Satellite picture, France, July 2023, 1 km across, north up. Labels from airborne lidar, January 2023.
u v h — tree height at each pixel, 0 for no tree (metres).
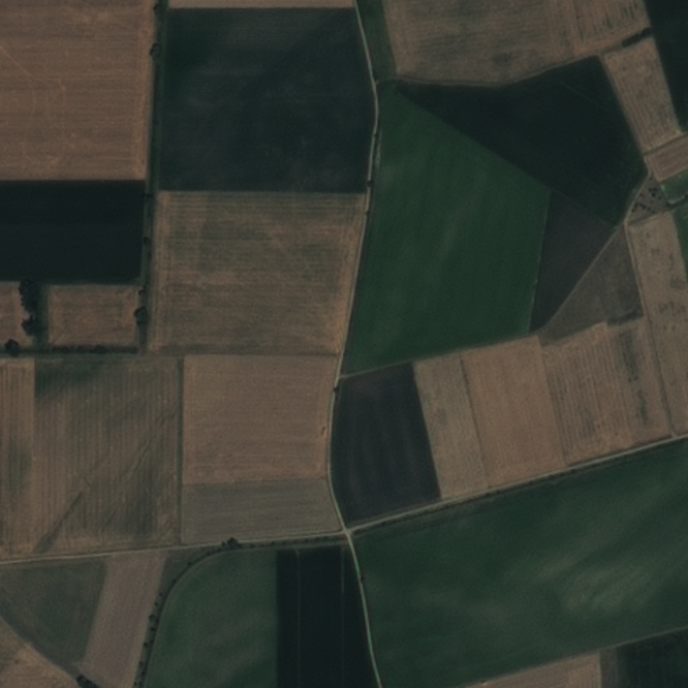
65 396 0
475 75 0
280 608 0
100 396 0
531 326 0
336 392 7
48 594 0
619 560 0
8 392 0
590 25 0
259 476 0
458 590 0
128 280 15
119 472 0
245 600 0
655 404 0
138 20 0
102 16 0
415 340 0
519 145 0
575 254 0
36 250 0
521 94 0
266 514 0
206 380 0
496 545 0
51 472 0
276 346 0
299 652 0
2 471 0
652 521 0
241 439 0
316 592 0
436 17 0
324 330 0
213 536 0
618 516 0
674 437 0
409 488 0
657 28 0
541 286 0
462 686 0
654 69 0
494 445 0
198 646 0
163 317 0
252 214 0
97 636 0
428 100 0
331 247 0
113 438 0
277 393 0
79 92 0
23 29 0
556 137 0
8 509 0
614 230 0
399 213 0
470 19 0
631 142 0
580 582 0
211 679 0
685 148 0
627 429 0
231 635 0
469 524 0
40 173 0
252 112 0
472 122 0
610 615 0
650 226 0
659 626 0
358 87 0
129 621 0
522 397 0
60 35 0
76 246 0
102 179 0
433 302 0
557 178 0
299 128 0
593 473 0
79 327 0
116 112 0
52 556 0
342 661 0
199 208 0
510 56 0
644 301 0
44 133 0
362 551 0
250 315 0
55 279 0
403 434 0
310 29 0
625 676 0
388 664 0
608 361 0
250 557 0
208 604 0
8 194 0
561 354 0
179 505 0
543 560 0
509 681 0
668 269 0
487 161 0
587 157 0
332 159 0
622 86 0
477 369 0
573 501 0
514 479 0
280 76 0
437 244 0
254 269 0
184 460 0
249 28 0
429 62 0
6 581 0
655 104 0
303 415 0
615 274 0
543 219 0
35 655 0
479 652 0
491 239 0
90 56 0
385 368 0
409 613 0
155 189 0
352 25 0
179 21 0
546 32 0
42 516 0
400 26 0
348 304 0
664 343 0
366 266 0
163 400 0
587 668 0
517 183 0
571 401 0
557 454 0
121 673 0
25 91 0
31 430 0
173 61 0
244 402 0
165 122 0
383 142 0
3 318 0
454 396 0
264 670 0
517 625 0
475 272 0
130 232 0
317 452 0
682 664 0
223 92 0
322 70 0
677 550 0
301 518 0
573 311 0
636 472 0
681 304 0
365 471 0
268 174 0
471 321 0
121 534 0
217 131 0
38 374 0
